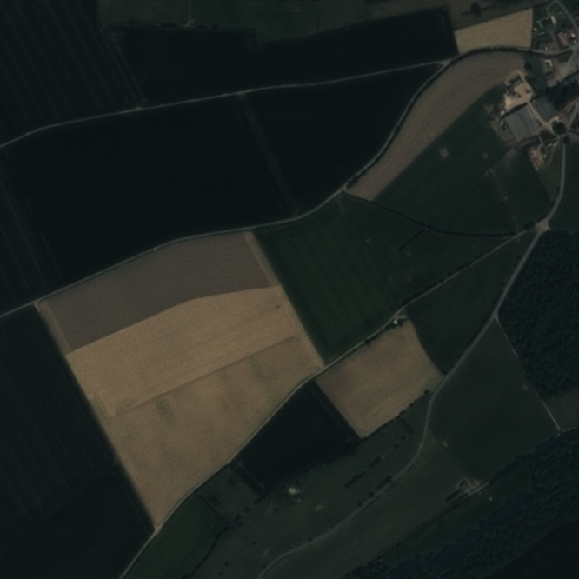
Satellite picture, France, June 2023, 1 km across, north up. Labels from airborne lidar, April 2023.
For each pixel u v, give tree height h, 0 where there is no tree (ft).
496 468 0
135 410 0
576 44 0
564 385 74
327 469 0
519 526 85
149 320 0
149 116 0
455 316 0
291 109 0
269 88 0
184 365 0
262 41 0
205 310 0
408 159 0
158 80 0
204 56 0
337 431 0
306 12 0
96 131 0
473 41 0
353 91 0
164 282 0
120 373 0
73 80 0
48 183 0
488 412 0
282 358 0
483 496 0
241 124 0
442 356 0
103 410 0
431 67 0
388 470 0
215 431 0
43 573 0
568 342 75
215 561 0
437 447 0
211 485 0
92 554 0
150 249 0
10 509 0
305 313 0
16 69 0
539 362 63
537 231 0
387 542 0
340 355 0
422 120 0
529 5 0
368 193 0
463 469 0
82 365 0
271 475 0
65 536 0
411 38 0
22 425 0
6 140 0
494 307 18
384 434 0
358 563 0
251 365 0
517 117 0
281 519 0
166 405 0
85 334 0
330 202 0
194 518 0
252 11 0
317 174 0
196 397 0
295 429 0
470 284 0
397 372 0
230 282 0
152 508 0
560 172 0
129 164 0
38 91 0
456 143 0
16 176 0
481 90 0
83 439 0
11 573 0
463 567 86
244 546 0
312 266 0
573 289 60
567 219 0
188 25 0
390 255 0
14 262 0
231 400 0
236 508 0
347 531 0
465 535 0
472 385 0
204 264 0
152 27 0
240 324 0
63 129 0
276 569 0
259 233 0
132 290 0
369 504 0
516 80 0
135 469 0
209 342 0
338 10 0
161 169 0
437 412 0
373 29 0
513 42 0
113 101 0
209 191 0
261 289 0
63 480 0
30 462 0
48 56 0
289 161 0
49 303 0
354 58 0
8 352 0
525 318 54
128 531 0
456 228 0
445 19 0
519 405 0
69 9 0
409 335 0
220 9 0
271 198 0
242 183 0
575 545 0
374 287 0
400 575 67
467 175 0
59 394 0
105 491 0
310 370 0
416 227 0
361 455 0
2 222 0
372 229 0
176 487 0
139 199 0
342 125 0
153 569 0
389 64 0
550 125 0
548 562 0
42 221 0
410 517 0
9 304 0
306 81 0
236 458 0
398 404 0
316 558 0
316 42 0
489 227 0
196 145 0
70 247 0
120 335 0
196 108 0
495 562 50
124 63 0
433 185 0
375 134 0
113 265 0
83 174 0
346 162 0
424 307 0
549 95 39
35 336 0
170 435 0
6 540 0
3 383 0
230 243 0
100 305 0
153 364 0
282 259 0
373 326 0
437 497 0
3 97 0
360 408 0
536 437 0
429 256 0
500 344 0
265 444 0
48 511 0
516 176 0
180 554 0
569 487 62
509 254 0
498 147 0
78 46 0
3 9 0
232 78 0
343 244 0
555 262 54
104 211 0
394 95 0
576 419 0
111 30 0
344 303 0
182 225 0
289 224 0
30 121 0
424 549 0
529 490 0
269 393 0
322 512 0
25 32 0
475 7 39
